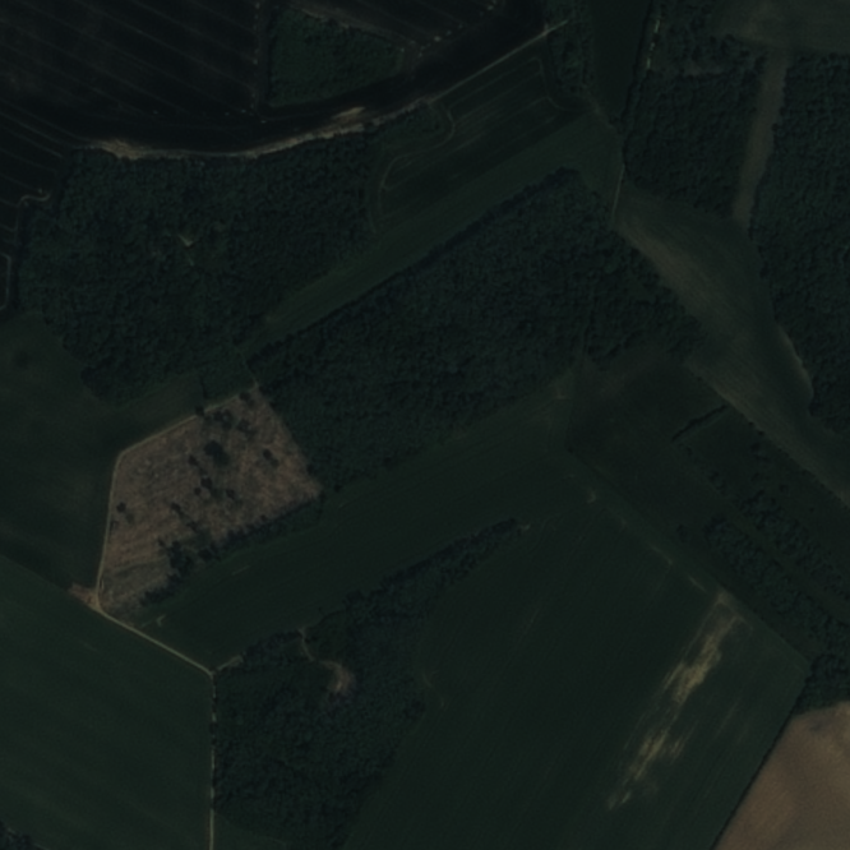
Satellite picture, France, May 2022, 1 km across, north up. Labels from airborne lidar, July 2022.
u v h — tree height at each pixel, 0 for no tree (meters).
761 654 0
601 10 0
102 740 0
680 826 0
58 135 0
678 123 17
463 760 0
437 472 0
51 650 0
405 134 15
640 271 16
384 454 21
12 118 0
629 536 0
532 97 0
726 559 18
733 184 13
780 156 12
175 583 20
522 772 0
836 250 8
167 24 0
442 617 0
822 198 20
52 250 25
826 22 0
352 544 0
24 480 0
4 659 0
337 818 25
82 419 0
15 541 0
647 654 0
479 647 0
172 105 0
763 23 0
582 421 0
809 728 0
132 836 0
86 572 0
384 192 0
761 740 0
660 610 0
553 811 0
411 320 18
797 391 0
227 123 0
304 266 19
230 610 0
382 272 0
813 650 0
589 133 0
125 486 0
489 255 24
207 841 0
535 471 0
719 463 0
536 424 0
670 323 16
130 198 28
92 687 0
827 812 0
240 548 22
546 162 0
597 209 27
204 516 0
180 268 23
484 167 0
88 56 0
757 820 0
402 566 0
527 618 0
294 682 9
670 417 0
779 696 0
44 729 0
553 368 13
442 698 0
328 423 24
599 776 0
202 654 0
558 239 25
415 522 0
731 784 0
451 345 18
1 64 0
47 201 0
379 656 26
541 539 0
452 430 18
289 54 18
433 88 0
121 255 23
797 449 0
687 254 0
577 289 17
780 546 17
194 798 0
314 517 21
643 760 0
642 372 0
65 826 0
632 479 0
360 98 0
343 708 29
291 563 0
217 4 0
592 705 0
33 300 24
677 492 0
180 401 0
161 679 0
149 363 25
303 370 7
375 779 21
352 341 23
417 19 0
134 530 0
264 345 0
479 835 0
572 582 0
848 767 0
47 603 0
